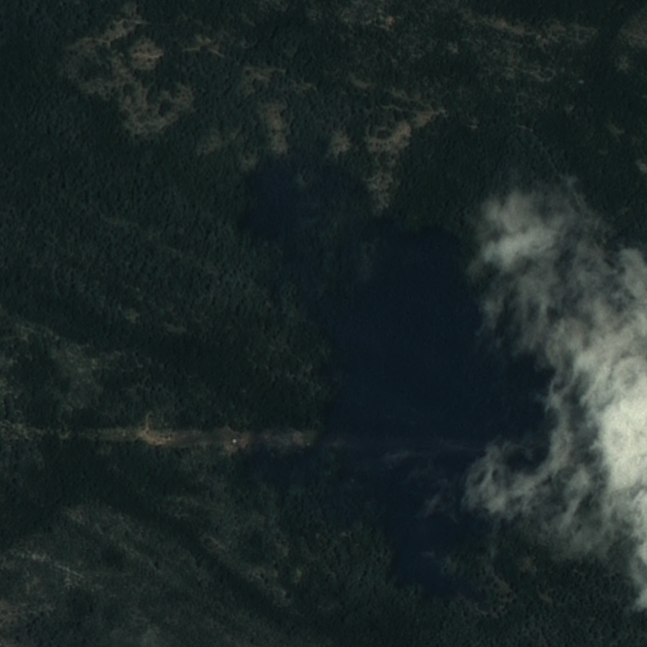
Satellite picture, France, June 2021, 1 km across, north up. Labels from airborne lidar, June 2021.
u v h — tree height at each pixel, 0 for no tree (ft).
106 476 31
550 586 26
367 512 48
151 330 24
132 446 32
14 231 27
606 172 41
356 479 28
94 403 22
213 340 32
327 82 34
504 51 21
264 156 31
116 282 31
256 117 34
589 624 21
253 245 33
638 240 27
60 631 38
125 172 42
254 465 18
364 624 40
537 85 23
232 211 33
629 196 34
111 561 35
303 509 48
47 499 32
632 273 21
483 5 30
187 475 20
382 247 36
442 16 23
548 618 40
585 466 46
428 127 28
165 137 26
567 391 39
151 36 34
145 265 40
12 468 22
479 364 54
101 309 25
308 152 48
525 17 29
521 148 35
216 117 37
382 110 26
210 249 51
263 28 52
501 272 39
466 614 44
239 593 24
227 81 43
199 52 29
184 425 24
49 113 53
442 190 47
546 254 23
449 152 42
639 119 23
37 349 29
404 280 34
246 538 29
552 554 28
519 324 36
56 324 37
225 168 35
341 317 27
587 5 34
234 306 30
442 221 41
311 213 18
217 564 35
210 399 28
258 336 20
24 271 25
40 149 43
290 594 36
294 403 39
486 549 52
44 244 21
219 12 38
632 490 41
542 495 56
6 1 47
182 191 27
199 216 42
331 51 28
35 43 48
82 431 21
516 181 62
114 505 31
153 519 28
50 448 31
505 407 22
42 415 31
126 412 38
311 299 50
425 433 32
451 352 45
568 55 20
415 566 56
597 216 37
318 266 40
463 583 27
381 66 29
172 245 23
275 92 49
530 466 37
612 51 21
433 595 45
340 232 20
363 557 46
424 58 22
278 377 31
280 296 25
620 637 56
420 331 43
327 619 30
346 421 32
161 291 25
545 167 59
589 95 50
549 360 36
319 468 28
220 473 20
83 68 34
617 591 51
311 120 36
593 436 39
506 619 49
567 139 45
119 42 37
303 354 31
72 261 24
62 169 31
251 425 32
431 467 30
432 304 36
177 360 40
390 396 19
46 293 17
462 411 27
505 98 31
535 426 24
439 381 47
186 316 25
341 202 45
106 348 41
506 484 48
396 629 47
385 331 43
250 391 43
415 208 43
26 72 34
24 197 42
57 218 50
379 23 21
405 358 28
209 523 22
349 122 36
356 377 24
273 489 18
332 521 54
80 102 34
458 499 25
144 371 31
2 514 22
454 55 29
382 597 39
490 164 47
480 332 35
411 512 42
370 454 20
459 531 38
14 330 31
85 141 29
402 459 36
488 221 35
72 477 36
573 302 29
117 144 37
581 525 59
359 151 22
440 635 60
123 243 33
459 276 58
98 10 49
